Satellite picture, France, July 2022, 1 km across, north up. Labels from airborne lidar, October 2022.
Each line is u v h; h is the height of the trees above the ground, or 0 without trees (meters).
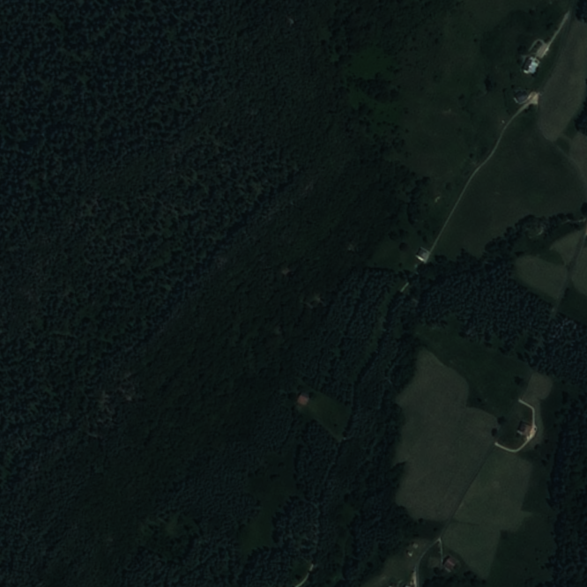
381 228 25
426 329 0
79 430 26
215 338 19
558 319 0
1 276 20
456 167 0
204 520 28
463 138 0
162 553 6
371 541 26
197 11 35
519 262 0
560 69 0
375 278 29
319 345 21
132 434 22
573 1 0
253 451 27
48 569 22
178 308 18
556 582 12
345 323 24
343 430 0
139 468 24
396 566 0
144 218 6
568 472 21
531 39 0
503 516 0
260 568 30
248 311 26
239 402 21
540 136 0
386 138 6
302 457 18
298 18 30
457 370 0
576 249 0
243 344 12
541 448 7
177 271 12
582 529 20
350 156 12
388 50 7
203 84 9
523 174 0
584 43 0
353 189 24
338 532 19
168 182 27
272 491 0
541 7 0
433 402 0
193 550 25
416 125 0
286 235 24
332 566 21
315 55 33
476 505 0
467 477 0
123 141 27
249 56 24
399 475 16
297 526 29
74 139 26
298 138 27
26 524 24
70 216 14
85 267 18
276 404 21
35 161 26
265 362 7
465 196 0
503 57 0
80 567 27
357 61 0
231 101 14
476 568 0
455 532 0
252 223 19
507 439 0
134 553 19
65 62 24
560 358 21
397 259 0
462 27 0
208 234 29
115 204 31
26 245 21
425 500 0
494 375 0
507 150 0
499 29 0
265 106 22
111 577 22
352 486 20
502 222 0
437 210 0
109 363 19
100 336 17
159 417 22
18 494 30
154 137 15
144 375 25
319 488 19
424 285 22
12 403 28
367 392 19
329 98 29
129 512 18
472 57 0
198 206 28
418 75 0
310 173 19
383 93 23
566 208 0
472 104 0
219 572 28
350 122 32
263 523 0
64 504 26
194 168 23
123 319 22
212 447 26
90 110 21
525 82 0
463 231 0
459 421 0
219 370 17
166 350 25
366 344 20
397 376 20
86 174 16
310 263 26
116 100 22
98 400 16
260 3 23
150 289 24
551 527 0
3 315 22
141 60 24
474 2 0
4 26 21
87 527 19
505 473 0
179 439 25
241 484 28
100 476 20
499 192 0
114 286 18
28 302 14
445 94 0
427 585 12
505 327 22
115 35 31
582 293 0
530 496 0
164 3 13
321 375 20
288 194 19
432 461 0
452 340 0
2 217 13
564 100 0
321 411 0
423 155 0
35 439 27
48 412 29
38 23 11
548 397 0
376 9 21
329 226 21
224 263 20
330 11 27
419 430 0
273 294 24
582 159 0
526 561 0
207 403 25
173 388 25
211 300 21
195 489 27
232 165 30
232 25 23
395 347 27
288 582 26
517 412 0
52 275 19
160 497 18
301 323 21
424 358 0
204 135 17
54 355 25
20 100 9
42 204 12
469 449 0
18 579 28
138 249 25
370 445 19
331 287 25
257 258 19
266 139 28
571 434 22
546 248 0
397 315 27
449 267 19
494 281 25
